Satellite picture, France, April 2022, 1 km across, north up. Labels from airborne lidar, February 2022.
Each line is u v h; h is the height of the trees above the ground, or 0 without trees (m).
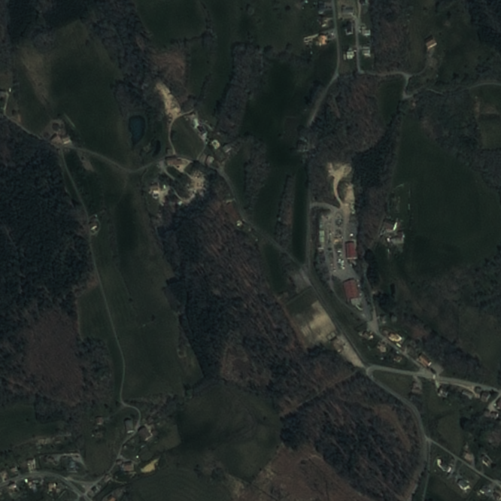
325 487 0
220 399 0
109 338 0
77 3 18
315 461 0
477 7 26
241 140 17
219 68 0
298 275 0
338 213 0
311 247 0
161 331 0
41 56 0
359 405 8
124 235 0
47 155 24
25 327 13
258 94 21
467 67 6
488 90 0
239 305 24
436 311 0
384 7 14
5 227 21
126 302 0
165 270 0
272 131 0
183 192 15
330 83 0
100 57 0
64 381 15
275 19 0
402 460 23
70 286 21
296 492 0
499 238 0
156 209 0
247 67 19
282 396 19
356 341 0
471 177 0
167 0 0
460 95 18
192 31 0
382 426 21
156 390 0
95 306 0
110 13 24
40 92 0
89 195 6
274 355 19
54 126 7
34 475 0
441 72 0
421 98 12
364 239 15
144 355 0
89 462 0
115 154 0
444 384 0
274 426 0
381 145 14
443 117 8
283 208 14
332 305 0
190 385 0
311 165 23
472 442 0
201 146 0
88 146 0
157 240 6
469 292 0
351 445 21
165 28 0
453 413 0
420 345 15
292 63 20
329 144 16
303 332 0
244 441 0
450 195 0
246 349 21
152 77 16
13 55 13
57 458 0
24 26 21
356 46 0
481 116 0
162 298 0
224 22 0
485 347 0
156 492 0
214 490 0
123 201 0
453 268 0
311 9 0
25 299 18
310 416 21
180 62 0
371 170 12
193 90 0
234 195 0
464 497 0
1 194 21
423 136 0
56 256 19
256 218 0
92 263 11
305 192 0
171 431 0
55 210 22
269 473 0
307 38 0
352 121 13
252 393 11
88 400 17
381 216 23
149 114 12
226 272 20
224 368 24
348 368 18
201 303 25
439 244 0
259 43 0
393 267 0
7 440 0
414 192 0
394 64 9
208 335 17
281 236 8
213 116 0
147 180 0
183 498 0
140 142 0
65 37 0
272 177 0
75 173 6
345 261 0
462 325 0
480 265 0
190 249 28
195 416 0
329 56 0
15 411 0
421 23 0
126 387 0
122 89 23
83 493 0
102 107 0
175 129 0
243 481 0
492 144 0
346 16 0
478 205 0
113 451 0
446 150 14
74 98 0
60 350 15
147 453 0
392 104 0
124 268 0
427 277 0
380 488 27
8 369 15
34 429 0
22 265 19
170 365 0
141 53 18
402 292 0
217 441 0
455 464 0
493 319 0
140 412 0
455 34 0
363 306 0
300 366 11
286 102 0
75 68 0
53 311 12
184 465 0
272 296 14
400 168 0
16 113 8
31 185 19
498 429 13
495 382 0
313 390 16
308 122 0
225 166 0
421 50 0
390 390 0
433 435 0
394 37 18
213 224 22
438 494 0
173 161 0
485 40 20
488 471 0
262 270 18
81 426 11
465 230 0
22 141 13
